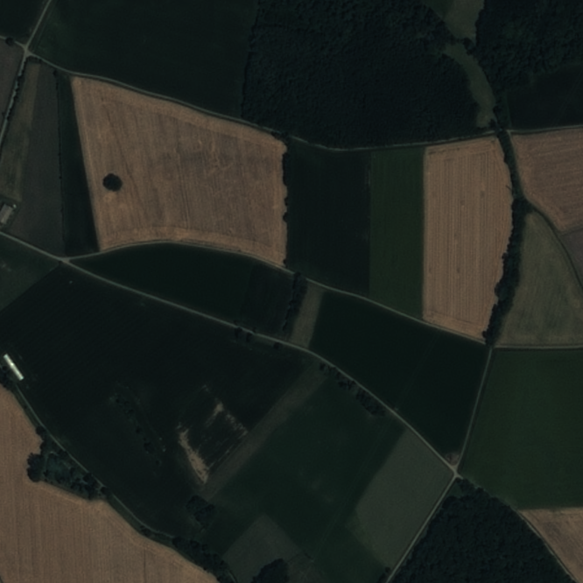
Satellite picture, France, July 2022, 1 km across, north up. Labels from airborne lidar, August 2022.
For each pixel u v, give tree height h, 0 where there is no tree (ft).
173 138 0
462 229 0
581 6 64
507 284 72
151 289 0
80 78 0
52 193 0
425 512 0
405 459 0
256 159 0
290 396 0
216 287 0
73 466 21
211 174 0
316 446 0
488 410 0
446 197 0
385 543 0
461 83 60
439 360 0
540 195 0
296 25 39
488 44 62
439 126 58
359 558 0
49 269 0
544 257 0
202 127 0
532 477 0
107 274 0
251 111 56
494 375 0
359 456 0
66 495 0
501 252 0
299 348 0
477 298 0
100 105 0
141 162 0
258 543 0
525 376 0
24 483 0
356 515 0
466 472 0
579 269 0
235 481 0
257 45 68
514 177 37
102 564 0
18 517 0
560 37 67
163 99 0
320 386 0
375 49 52
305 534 0
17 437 0
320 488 0
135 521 0
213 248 0
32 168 0
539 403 0
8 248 0
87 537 0
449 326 0
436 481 0
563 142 0
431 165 0
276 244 0
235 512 0
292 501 0
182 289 0
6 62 0
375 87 53
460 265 0
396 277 0
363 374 0
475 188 0
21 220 0
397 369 0
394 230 0
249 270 0
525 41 54
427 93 57
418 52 57
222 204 0
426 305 0
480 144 0
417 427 0
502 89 42
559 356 0
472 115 53
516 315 0
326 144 38
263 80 63
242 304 0
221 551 0
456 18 0
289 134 45
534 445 0
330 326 0
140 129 0
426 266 0
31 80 0
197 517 34
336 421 0
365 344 0
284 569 45
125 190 0
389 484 0
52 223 0
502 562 62
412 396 0
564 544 0
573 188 0
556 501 0
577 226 0
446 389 0
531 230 0
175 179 0
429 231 0
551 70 69
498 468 0
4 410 0
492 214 0
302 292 47
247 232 0
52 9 0
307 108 48
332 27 52
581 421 0
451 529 70
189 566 0
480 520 69
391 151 0
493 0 61
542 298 0
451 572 61
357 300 0
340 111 61
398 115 54
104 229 0
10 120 32
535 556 45
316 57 45
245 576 0
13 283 0
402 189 0
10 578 0
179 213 0
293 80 45
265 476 0
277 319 0
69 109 0
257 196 0
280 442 0
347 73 65
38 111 0
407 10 103
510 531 63
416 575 63
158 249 0
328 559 0
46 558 0
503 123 47
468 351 0
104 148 0
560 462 0
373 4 32
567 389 0
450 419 0
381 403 36
